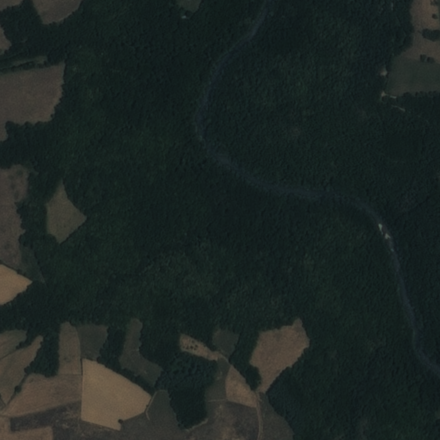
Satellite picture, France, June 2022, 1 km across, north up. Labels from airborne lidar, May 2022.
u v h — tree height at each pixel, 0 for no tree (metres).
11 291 0
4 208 0
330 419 24
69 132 19
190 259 15
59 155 17
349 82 13
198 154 30
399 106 8
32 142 19
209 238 25
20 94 0
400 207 22
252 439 0
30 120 0
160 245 20
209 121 19
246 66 22
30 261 0
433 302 17
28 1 15
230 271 17
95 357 0
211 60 22
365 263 11
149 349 12
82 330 0
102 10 13
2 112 0
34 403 0
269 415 0
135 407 0
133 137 17
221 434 0
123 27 18
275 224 22
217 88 21
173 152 21
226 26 18
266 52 14
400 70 0
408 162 10
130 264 16
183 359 25
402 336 17
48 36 18
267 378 0
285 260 20
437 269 15
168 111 26
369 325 15
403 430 15
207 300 17
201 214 19
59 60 16
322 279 15
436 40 18
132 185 15
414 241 25
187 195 21
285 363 0
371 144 18
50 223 0
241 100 19
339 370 9
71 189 17
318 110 7
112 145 18
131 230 17
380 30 20
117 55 21
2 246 0
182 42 7
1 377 0
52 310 15
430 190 10
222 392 0
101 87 18
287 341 0
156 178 21
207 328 17
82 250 14
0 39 0
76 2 0
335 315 14
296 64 12
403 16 15
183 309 15
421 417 16
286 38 11
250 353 11
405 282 6
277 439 0
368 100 13
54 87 0
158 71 29
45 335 6
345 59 16
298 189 0
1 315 18
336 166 13
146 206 18
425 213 25
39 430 0
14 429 0
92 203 11
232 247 19
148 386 13
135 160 16
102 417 0
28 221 12
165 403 0
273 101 10
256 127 8
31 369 13
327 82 11
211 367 14
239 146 17
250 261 23
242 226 22
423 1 0
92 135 14
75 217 0
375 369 14
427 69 0
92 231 11
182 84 22
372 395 20
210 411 0
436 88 0
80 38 15
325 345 12
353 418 9
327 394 18
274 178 25
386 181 8
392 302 9
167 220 24
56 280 14
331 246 18
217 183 29
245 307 14
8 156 20
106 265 18
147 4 20
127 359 0
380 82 14
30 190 7
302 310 16
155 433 0
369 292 19
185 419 16
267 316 15
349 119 11
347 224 17
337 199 26
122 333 12
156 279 15
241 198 28
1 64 9
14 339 0
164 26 24
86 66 18
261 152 13
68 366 0
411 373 21
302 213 28
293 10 23
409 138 9
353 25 17
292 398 20
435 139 16
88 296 14
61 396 0
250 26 20
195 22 17
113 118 18
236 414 0
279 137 10
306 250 20
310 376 13
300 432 17
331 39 16
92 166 18
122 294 18
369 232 20
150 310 15
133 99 25
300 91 10
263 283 17
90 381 0
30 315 17
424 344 25
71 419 0
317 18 12
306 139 11
